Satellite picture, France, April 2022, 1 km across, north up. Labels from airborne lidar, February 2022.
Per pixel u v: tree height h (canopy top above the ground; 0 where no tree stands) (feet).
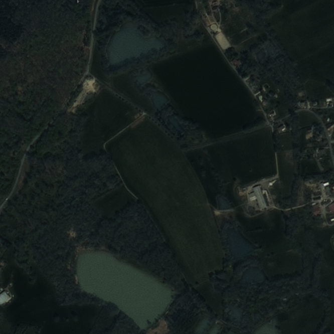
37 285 0
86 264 0
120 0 66
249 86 0
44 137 64
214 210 0
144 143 0
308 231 70
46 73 98
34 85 37
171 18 0
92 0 75
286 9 0
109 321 0
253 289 78
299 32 0
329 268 0
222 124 0
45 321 0
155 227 83
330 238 0
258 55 0
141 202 58
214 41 0
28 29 67
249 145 0
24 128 94
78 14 104
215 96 0
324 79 0
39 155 55
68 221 61
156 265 122
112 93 0
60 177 74
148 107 0
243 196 0
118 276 0
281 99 0
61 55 97
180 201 0
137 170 0
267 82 0
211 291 0
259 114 0
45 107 82
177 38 89
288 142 0
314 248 70
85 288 0
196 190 0
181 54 0
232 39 0
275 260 0
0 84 107
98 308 0
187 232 0
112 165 103
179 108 0
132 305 0
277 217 0
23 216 79
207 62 0
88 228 21
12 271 0
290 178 0
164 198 0
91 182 75
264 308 65
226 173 0
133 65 78
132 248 82
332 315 0
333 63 0
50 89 93
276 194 0
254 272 0
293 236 80
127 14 76
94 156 71
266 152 0
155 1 0
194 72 0
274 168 0
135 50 0
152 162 0
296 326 0
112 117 0
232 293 77
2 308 0
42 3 101
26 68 107
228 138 0
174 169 0
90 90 0
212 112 0
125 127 0
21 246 67
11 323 0
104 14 68
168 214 0
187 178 0
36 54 86
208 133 0
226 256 27
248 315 65
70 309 0
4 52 43
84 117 60
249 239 0
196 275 0
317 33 0
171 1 0
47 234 95
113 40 0
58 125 60
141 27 42
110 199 0
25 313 0
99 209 0
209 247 0
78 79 77
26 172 0
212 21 0
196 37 51
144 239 103
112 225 62
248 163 0
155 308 0
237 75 0
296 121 67
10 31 58
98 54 0
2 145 76
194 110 0
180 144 0
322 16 0
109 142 0
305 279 70
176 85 0
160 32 70
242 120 0
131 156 0
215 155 0
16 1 73
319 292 73
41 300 0
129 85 0
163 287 0
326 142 40
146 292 0
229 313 33
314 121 0
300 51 0
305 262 72
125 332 93
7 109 89
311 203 49
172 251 112
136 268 0
